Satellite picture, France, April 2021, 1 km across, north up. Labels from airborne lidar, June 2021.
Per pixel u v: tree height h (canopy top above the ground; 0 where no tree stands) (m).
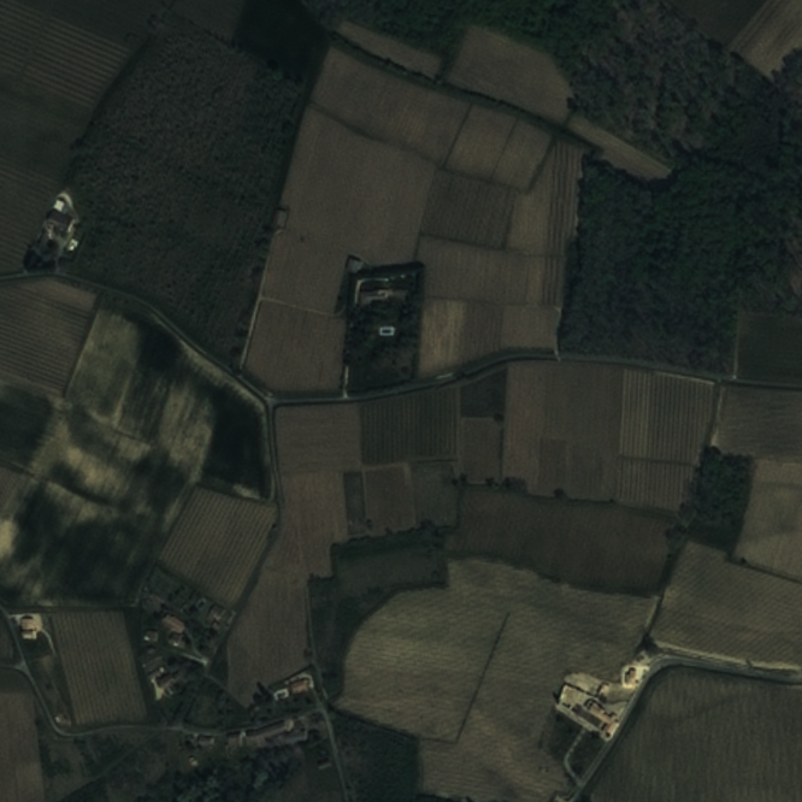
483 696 0
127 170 8
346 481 0
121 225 7
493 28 15
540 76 0
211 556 0
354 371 0
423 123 0
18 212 0
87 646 0
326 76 0
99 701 0
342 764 0
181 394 0
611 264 22
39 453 0
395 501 0
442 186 0
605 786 0
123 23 0
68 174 0
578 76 21
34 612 0
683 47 22
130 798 0
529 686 0
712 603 0
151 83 8
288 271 0
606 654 0
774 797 0
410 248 0
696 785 0
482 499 0
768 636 0
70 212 0
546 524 0
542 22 19
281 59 0
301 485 0
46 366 0
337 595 0
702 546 0
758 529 0
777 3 0
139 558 0
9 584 0
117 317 0
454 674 0
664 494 0
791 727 0
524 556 0
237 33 0
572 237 0
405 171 0
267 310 0
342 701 0
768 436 0
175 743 0
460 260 0
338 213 0
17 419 0
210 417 0
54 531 0
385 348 8
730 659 0
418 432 0
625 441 0
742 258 21
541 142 0
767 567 0
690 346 21
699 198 26
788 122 17
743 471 16
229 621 0
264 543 0
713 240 25
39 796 0
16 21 0
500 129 0
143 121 9
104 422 0
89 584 0
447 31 25
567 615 0
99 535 0
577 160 0
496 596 0
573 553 0
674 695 0
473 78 0
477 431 0
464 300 0
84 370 0
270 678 0
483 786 0
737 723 0
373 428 0
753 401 0
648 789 0
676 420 0
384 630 0
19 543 0
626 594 0
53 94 0
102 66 0
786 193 22
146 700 0
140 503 0
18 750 0
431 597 0
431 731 0
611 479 0
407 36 16
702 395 0
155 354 0
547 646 0
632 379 0
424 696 0
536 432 0
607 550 0
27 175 0
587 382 0
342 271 0
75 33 0
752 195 15
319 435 0
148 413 0
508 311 0
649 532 0
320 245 0
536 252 0
